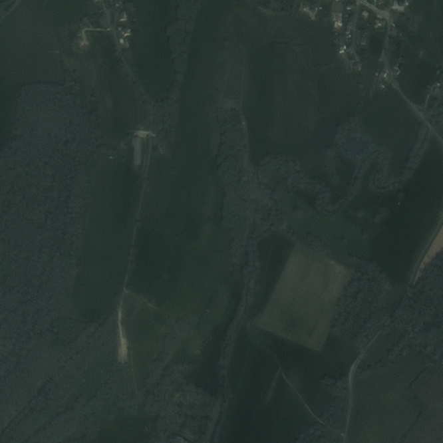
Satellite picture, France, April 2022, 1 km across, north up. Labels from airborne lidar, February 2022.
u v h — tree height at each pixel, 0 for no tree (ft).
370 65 0
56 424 70
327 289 0
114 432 0
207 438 57
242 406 0
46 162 93
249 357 0
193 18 58
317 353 0
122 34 0
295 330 0
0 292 64
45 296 95
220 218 0
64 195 88
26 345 85
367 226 0
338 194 0
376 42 0
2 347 85
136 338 0
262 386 0
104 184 0
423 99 0
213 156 0
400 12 40
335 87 0
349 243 0
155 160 0
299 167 0
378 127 0
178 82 28
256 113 0
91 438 46
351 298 58
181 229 0
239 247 81
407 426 0
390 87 0
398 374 0
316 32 0
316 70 0
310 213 0
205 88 0
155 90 0
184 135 0
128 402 79
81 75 0
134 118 0
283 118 0
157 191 0
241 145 82
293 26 0
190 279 0
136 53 0
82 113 72
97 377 28
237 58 0
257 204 0
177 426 80
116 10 0
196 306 0
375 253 0
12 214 86
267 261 0
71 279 81
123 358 29
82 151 102
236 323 57
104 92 0
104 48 0
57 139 77
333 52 0
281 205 0
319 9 0
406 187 0
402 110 0
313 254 0
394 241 0
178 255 0
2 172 78
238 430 0
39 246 86
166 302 0
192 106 0
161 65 0
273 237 0
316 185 35
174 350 0
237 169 88
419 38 0
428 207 0
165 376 27
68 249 65
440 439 18
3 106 0
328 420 42
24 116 71
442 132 0
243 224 90
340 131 47
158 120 60
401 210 0
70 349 43
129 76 54
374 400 0
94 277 0
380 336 0
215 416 0
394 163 0
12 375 51
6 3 39
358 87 0
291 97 0
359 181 55
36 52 0
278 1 38
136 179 0
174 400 0
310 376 0
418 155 42
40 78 0
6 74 0
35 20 0
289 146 0
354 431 0
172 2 0
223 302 0
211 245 0
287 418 0
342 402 31
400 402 0
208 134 0
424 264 0
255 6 0
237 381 0
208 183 0
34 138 77
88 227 0
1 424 46
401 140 0
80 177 87
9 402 56
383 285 91
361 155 52
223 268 0
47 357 58
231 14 0
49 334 86
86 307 0
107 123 0
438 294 92
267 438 0
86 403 43
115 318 51
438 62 0
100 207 0
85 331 55
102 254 0
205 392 47
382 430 0
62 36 0
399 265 0
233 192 87
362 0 0
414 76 0
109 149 41
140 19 0
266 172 55
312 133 0
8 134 0
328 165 24
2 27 0
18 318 89
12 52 0
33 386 43
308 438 56
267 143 0
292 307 0
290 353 0
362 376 38
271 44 0
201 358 0
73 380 49
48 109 90
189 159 0
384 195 0
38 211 80
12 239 67
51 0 0
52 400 42
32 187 64
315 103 0
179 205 0
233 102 0
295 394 0
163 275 0
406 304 75
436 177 0
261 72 0
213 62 0
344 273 0
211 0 0
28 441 51
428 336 89
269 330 0
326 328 0
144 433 0
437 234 0
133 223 0
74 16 0
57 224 91
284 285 0
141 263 0
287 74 0
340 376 0
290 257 0
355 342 36
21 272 80
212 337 0
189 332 76
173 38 62
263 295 0
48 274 104
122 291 0
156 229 0
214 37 0
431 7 0
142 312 0
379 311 79
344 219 0
